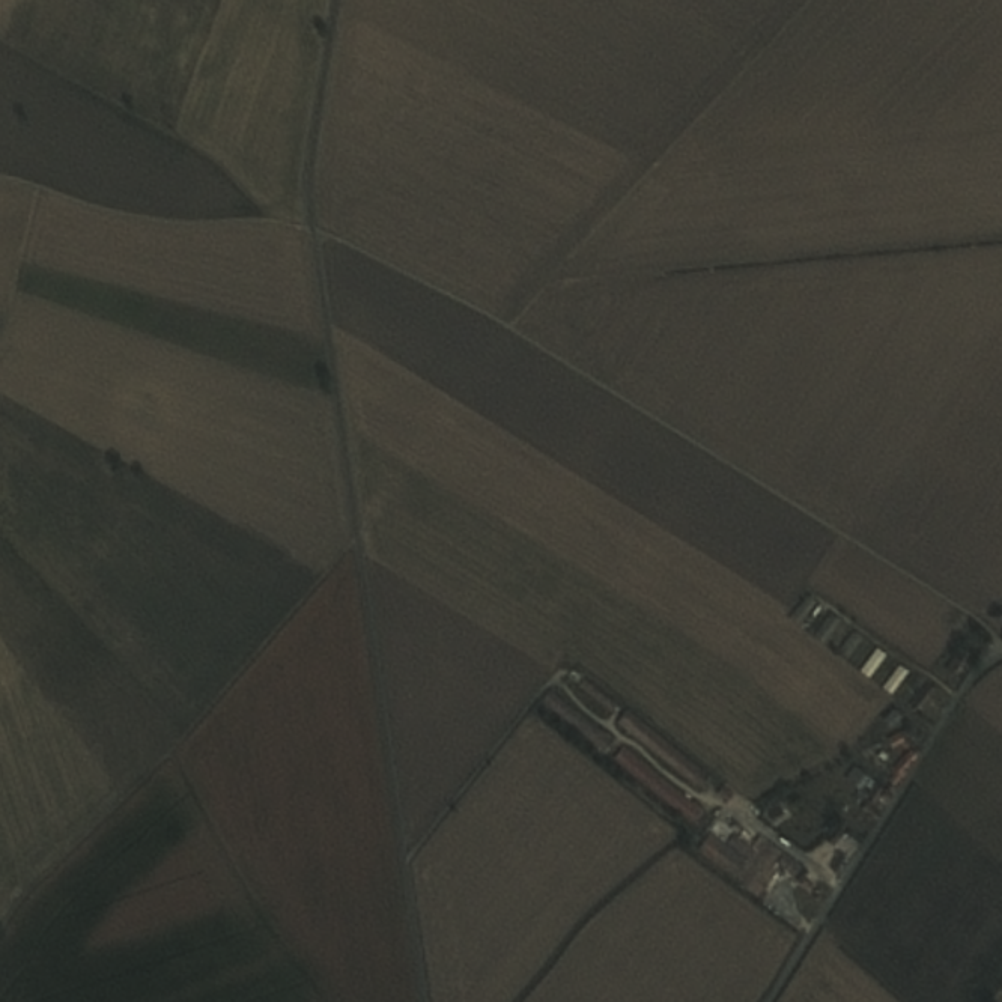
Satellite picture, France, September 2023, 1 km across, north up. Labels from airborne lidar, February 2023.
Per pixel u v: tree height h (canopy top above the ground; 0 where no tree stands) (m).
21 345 0
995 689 0
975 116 0
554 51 0
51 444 0
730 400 0
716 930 0
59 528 0
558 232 0
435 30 0
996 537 0
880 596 0
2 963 0
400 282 0
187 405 0
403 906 0
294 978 0
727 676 0
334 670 0
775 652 0
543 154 0
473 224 0
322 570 0
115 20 0
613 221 0
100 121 0
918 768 0
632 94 0
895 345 0
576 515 0
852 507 0
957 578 0
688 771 0
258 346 0
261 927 0
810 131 0
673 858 0
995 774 0
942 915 0
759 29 0
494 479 0
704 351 0
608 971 0
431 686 0
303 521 0
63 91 0
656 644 0
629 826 0
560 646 0
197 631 0
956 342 0
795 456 0
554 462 0
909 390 0
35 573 0
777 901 0
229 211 0
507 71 0
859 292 0
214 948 0
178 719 0
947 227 0
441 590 0
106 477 0
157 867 0
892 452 0
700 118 0
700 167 0
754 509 0
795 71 0
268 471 0
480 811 0
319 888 0
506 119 0
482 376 0
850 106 0
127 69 0
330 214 0
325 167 0
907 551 0
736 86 0
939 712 0
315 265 0
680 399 0
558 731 7
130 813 0
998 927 0
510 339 0
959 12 0
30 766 0
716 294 0
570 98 0
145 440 0
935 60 0
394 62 0
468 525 0
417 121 0
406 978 0
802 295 0
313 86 0
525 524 0
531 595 0
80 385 0
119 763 0
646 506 0
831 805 8
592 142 0
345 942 0
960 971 0
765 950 0
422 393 0
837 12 0
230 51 0
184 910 0
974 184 0
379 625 0
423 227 0
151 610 0
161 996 0
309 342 0
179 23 0
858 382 0
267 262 0
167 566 0
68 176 0
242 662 0
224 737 0
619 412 0
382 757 0
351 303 0
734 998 0
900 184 0
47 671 0
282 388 0
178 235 0
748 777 0
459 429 0
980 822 0
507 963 0
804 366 0
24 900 0
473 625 0
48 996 0
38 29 0
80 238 0
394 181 0
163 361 0
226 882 0
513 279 0
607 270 0
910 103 0
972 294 0
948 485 0
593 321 0
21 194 0
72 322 0
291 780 0
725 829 0
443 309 0
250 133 0
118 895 0
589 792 0
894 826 0
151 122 0
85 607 0
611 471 0
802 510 0
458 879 0
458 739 0
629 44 0
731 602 0
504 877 0
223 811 0
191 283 0
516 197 0
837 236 0
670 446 0
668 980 0
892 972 0
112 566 0
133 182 0
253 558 0
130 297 0
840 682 0
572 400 0
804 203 0
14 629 0
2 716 0
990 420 0
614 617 0
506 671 0
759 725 0
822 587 0
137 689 0
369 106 0
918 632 0
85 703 0
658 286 0
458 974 0
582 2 0
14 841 0
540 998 0
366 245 0
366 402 0
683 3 0
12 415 0
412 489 0
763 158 0
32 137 0
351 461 0
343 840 0
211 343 0
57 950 0
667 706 0
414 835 0
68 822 0
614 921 0
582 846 0
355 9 0
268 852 0
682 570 0
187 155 0
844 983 0
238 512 0
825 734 0
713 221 0
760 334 0
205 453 0
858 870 0
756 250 0
